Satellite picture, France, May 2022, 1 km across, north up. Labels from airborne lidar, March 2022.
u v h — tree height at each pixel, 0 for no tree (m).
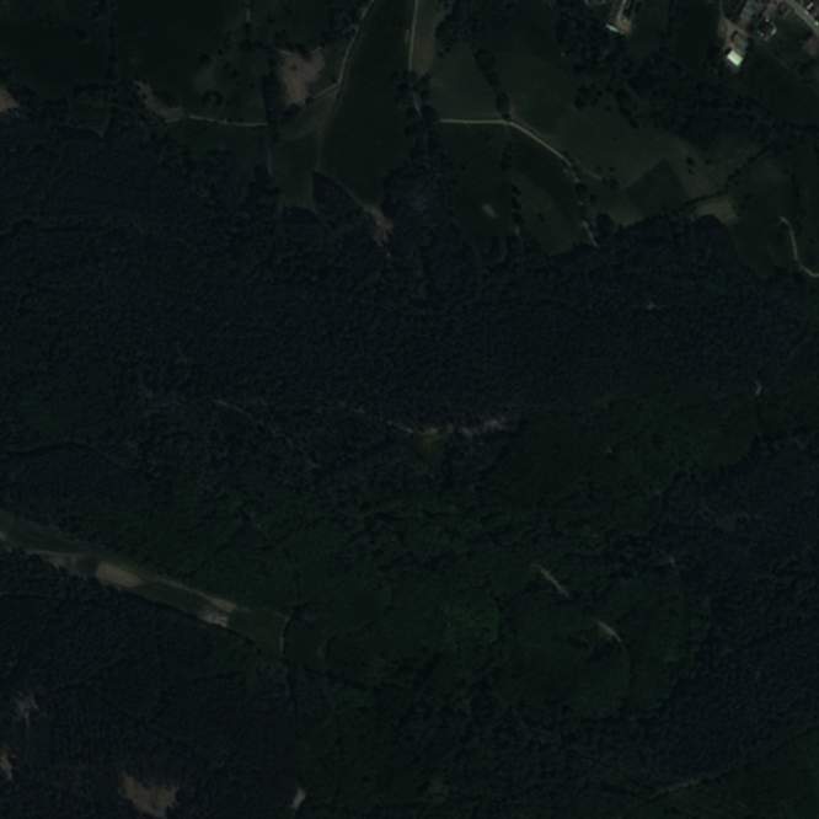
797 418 22
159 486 22
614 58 30
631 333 24
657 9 0
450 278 30
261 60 0
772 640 26
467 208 0
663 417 17
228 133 0
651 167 0
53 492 31
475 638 25
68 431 20
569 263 23
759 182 0
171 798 0
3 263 29
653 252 28
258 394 27
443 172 21
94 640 33
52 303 26
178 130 0
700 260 25
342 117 0
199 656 22
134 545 21
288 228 27
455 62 0
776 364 33
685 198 0
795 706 21
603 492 30
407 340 26
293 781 19
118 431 20
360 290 28
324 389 29
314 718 19
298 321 23
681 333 23
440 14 0
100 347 26
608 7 0
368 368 28
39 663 29
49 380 26
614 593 0
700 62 0
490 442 26
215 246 30
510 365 28
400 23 0
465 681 6
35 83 0
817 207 0
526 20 0
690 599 23
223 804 23
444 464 9
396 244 31
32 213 28
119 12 0
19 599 11
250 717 28
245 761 23
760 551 35
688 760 26
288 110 20
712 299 24
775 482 31
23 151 26
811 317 15
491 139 6
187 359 23
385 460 28
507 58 0
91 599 12
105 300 28
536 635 10
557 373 23
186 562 17
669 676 27
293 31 0
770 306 28
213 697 25
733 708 26
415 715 25
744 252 0
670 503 27
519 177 0
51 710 29
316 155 0
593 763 26
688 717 32
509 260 15
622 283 34
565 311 26
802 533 29
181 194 29
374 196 0
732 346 32
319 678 21
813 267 0
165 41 0
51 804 37
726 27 0
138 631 32
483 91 0
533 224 0
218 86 0
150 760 22
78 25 0
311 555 22
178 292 24
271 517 14
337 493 22
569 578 19
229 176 30
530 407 19
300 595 20
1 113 0
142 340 24
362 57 0
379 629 25
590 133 0
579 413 15
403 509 27
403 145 0
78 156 25
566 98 0
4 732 21
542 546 26
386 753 10
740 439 0
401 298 29
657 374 8
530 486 30
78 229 28
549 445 25
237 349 28
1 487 25
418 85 16
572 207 0
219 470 18
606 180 0
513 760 27
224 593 17
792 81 0
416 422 25
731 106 21
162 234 26
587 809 11
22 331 19
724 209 0
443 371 29
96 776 22
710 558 31
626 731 27
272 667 22
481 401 27
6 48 0
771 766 18
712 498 31
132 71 0
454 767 23
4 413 27
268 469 27
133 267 25
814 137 18
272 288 23
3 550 16
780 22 0
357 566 20
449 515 23
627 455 18
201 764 28
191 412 26
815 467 33
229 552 18
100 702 28
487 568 22
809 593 23
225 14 0
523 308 22
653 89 32
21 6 0
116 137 23
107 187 29
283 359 31
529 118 0
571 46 13
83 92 13
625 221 0
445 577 23
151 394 28
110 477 27
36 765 22
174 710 25
